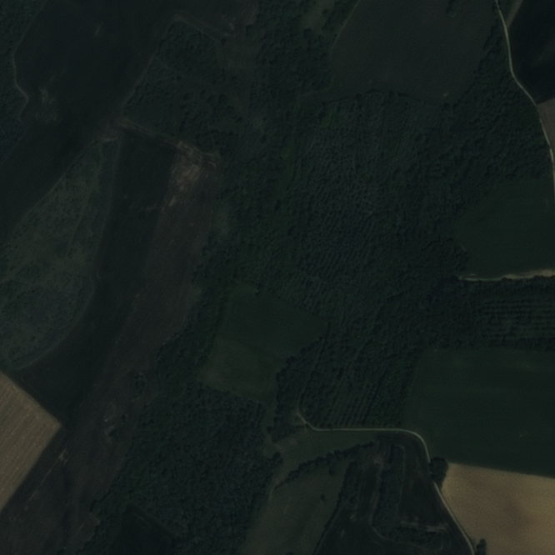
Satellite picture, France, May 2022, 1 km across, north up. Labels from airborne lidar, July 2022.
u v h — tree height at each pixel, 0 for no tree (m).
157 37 0
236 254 19
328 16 6
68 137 0
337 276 17
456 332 21
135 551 0
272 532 0
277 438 9
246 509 18
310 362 16
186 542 24
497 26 9
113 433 8
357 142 8
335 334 8
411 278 23
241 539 11
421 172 14
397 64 0
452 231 0
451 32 0
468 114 18
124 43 0
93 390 0
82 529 0
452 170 19
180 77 10
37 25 0
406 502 0
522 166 15
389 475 17
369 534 0
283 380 20
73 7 0
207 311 19
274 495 0
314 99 0
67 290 0
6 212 0
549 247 0
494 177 14
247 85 0
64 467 0
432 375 0
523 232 0
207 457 20
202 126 10
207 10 0
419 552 0
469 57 0
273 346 0
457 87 0
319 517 0
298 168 7
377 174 6
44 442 0
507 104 12
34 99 0
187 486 24
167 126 8
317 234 15
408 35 0
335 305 6
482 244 0
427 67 0
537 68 0
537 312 15
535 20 0
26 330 0
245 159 7
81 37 0
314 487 0
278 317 0
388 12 0
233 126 0
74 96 0
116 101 0
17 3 18
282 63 19
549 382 0
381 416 14
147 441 20
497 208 0
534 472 0
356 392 7
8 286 6
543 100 0
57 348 0
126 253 0
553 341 14
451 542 0
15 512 0
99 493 0
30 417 0
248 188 10
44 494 0
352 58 0
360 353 10
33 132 0
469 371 0
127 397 0
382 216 13
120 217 0
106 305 0
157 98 7
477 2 0
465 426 0
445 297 25
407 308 11
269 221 11
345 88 0
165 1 0
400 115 7
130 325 0
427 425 0
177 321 0
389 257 11
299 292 6
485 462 0
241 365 0
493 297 15
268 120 7
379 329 21
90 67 0
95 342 0
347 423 11
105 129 0
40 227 0
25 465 0
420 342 23
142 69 0
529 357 0
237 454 24
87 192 0
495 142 7
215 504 12
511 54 0
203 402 14
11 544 0
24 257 0
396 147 8
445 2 0
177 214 0
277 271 7
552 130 0
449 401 0
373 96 7
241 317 0
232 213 7
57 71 0
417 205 9
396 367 10
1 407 0
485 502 0
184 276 0
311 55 14
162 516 20
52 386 0
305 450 0
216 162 0
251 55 0
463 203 22
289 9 11
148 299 0
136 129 0
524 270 0
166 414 20
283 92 23
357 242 19
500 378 0
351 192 17
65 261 0
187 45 20
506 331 15
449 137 18
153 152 0
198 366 18
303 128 8
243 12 0
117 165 0
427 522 0
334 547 0
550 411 0
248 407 19
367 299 8
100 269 0
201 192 0
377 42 0
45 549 0
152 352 0
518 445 0
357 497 8
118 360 0
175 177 0
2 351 0
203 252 11
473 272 0
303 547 0
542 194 0
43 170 0
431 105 7
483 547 10
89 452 0
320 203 13
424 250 12
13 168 0
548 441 0
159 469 21
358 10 0
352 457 19
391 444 0
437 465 17
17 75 0
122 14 0
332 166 7
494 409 0
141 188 0
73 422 0
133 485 14
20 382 0
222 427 22
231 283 20
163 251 0
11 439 0
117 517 19
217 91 0
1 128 18
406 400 12
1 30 18
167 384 9
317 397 11
